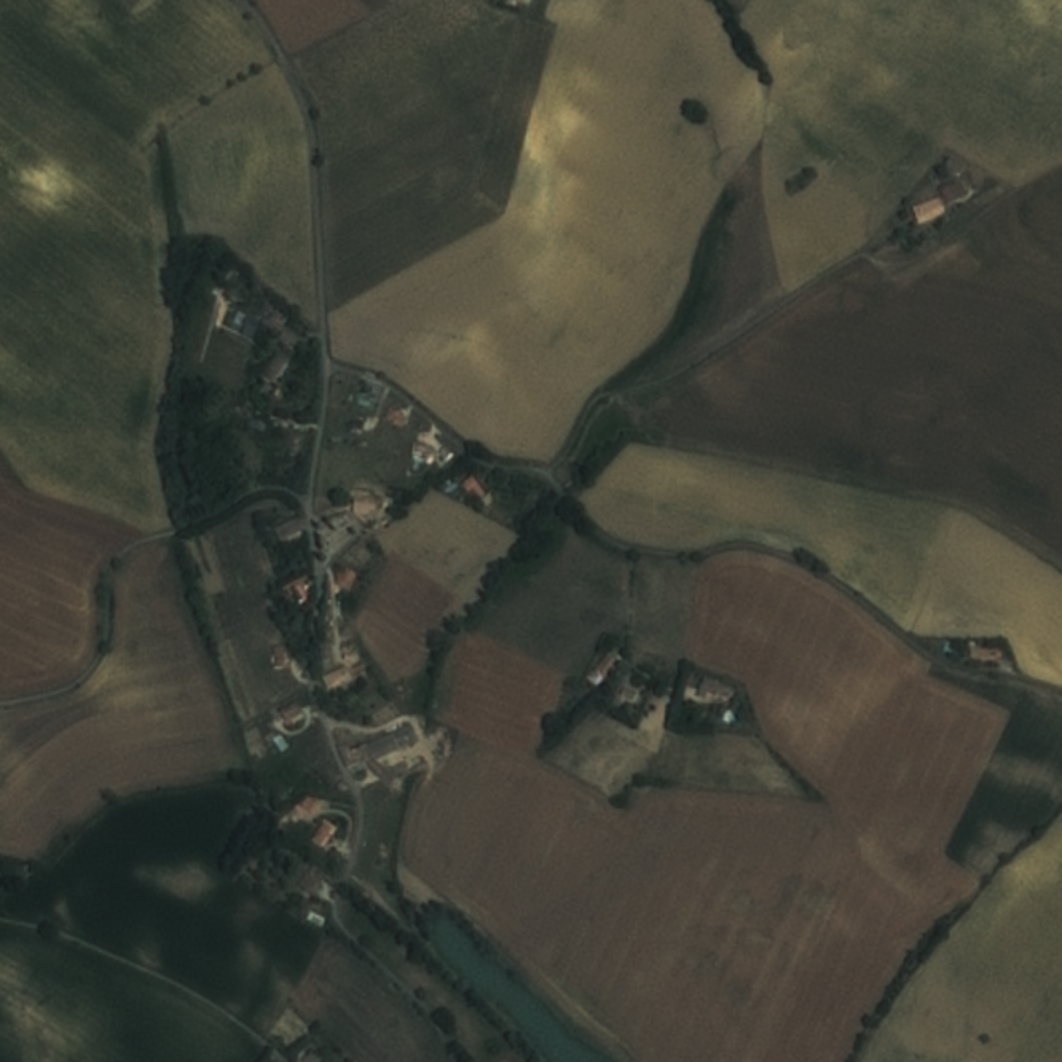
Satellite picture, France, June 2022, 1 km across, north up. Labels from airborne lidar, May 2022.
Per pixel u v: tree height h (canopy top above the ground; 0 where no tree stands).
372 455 0
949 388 0
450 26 0
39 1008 0
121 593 0
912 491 0
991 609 0
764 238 0
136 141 0
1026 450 0
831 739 0
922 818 0
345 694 7
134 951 0
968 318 0
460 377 0
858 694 0
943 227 8
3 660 0
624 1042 0
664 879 0
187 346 13
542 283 0
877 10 0
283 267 0
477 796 0
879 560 0
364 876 0
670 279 0
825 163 0
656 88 0
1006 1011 0
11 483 0
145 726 0
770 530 0
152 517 0
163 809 0
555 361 0
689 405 0
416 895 0
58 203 0
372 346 0
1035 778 0
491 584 17
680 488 0
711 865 0
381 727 0
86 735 0
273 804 12
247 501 8
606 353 0
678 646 0
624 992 0
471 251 0
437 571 0
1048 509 0
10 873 11
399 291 0
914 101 0
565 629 0
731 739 0
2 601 0
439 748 0
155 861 0
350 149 0
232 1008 0
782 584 0
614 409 0
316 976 0
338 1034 0
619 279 0
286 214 0
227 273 14
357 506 0
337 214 0
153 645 0
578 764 0
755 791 0
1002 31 0
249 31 0
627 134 0
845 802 0
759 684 0
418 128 0
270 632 0
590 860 0
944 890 0
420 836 0
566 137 0
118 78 0
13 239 0
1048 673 0
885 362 0
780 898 0
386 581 0
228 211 0
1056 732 0
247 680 0
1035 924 0
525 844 0
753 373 0
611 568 0
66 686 0
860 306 0
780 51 0
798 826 0
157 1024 0
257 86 0
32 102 0
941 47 0
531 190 0
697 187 0
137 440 0
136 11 0
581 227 0
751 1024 0
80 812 0
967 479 0
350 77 0
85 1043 0
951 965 0
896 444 0
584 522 15
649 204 0
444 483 8
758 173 0
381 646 0
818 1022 0
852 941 0
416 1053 0
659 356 0
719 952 0
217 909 0
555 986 0
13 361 0
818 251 0
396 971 0
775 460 0
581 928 0
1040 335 0
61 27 0
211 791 0
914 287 0
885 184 0
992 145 0
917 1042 0
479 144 0
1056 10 0
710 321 0
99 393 0
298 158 0
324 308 0
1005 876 0
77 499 0
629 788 7
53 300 0
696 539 0
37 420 0
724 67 0
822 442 0
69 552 0
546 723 13
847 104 0
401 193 0
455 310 0
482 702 0
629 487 0
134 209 0
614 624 0
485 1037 0
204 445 6
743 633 0
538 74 0
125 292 0
